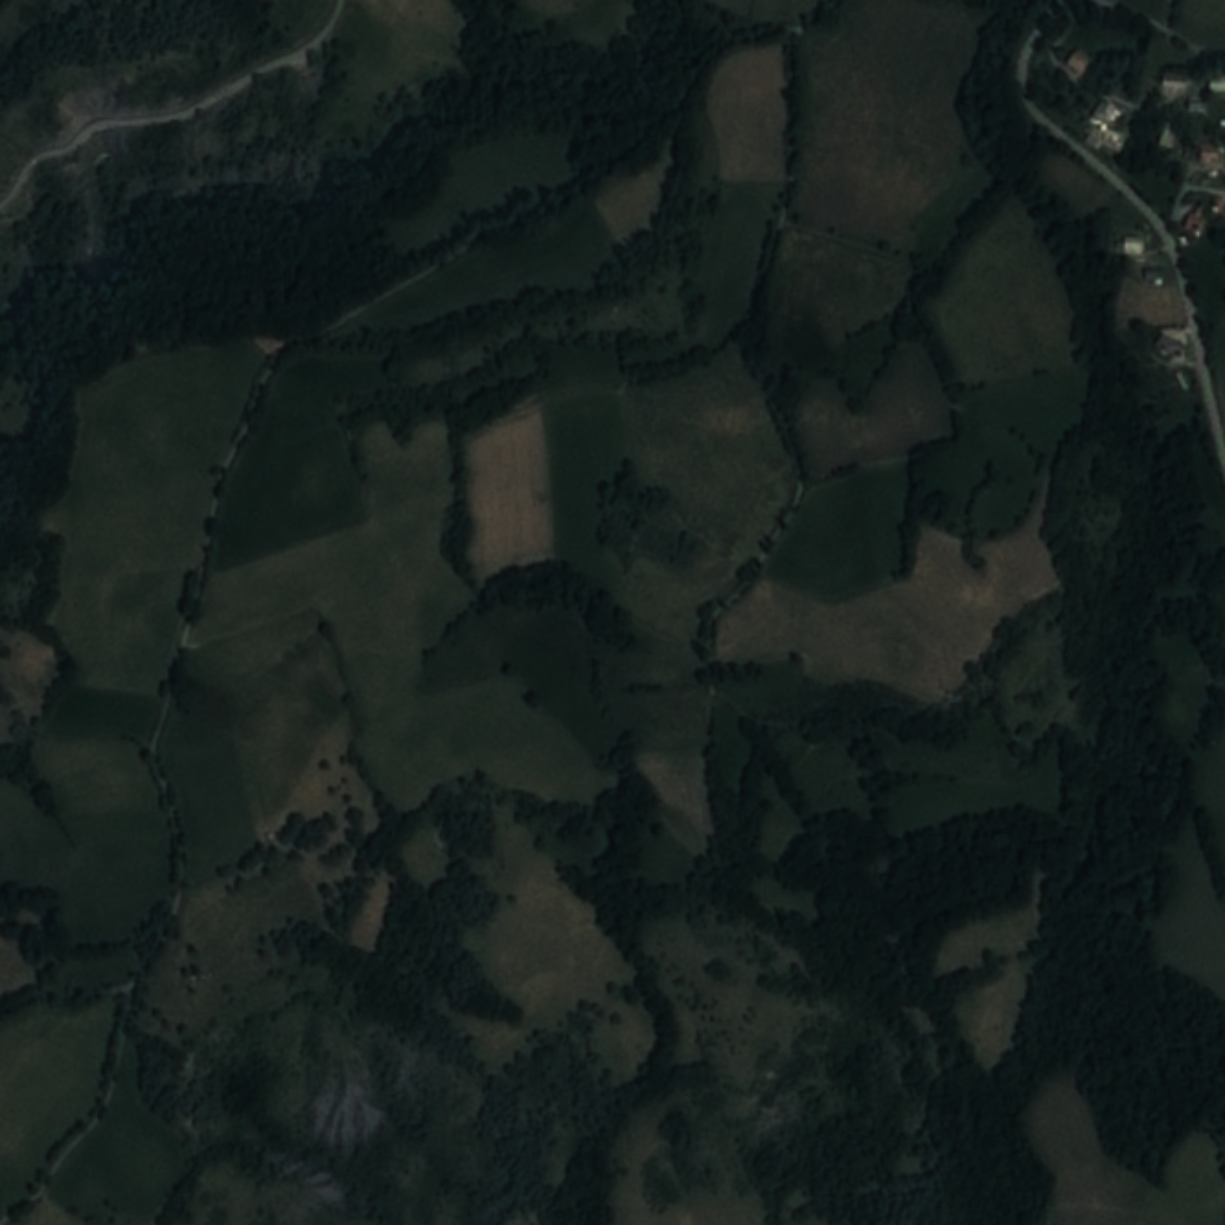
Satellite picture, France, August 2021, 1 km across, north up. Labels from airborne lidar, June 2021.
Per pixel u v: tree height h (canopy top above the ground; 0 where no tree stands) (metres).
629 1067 0
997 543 10
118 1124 0
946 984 14
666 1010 12
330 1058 7
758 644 0
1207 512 12
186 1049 6
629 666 0
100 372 9
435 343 9
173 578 0
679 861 0
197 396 0
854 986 12
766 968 8
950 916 20
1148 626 7
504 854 0
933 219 0
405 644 0
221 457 0
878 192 0
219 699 0
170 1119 6
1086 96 6
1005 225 0
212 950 0
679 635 0
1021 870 22
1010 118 23
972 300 0
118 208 15
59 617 0
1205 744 16
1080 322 10
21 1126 0
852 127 0
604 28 0
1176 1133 7
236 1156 15
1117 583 10
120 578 0
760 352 18
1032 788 0
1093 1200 0
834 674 0
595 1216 16
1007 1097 19
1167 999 10
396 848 16
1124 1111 16
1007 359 0
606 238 0
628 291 9
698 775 0
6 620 7
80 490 0
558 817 12
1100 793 25
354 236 17
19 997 10
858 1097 17
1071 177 0
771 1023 0
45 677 0
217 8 16
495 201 0
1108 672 19
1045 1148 0
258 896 0
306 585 0
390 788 0
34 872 0
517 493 0
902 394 0
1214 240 14
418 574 0
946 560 0
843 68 0
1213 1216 0
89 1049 0
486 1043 0
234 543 0
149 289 14
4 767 15
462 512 13
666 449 0
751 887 16
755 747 13
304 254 33
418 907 21
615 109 19
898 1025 15
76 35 8
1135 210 0
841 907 23
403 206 28
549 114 23
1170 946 0
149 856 0
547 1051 9
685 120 8
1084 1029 14
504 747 0
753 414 0
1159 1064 12
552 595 10
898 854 25
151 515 0
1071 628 15
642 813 21
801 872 28
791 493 0
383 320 0
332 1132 0
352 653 0
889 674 0
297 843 10
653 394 0
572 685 0
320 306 22
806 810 16
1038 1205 12
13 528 14
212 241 26
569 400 0
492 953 0
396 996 22
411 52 0
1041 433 0
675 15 10
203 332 19
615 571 0
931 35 0
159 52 8
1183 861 0
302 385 0
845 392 14
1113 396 26
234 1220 0
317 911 0
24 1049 0
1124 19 16
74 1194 0
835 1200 13
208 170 6
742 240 0
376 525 0
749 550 0
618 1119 12
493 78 17
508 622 0
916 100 0
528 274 0
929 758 0
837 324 0
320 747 0
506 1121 9
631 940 11
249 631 0
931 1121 10
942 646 0
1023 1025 13
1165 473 20
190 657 8
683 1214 0
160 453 0
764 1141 7
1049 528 11
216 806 0
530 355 16
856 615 0
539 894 0
